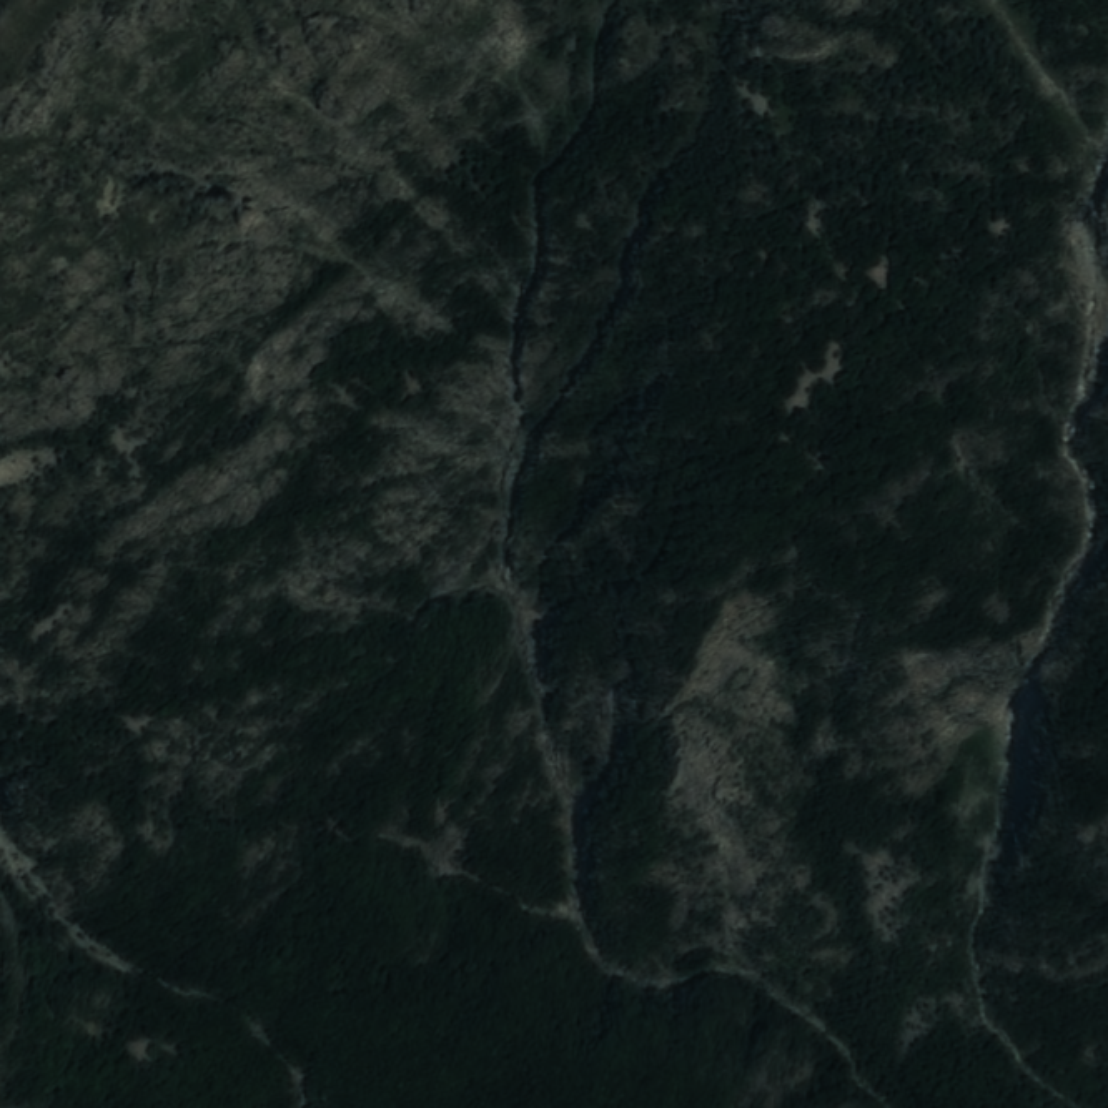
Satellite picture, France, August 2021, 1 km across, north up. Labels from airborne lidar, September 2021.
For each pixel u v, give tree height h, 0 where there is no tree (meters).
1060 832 10
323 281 16
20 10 0
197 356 7
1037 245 13
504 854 15
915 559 13
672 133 10
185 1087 24
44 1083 27
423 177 9
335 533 10
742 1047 19
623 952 12
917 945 9
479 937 24
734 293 14
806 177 9
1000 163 25
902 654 8
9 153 0
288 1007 16
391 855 12
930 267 20
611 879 15
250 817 15
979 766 0
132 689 14
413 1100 24
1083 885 9
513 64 0
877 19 13
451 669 13
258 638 9
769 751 8
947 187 23
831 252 8
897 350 6
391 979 30
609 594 10
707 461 21
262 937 22
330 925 26
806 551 13
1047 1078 6
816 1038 10
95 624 10
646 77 13
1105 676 22
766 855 7
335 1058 18
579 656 10
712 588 17
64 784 12
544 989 20
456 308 9
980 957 7
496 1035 26
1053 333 8
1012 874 6
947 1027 6
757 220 11
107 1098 25
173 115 0
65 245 0
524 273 13
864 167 12
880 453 18
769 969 22
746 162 10
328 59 7
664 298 11
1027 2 7
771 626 11
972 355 15
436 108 6
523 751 8
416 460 7
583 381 8
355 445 13
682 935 8
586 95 6
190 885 21
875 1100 12
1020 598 12
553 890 17
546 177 20
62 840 6
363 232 10
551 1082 24
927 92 17
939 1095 13
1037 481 8
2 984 10
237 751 6
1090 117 11
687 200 12
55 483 7
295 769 8
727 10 8
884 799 12
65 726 23
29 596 13
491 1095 26
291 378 11
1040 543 13
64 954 7
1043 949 7
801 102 14
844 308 11
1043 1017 14
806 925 15
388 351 22
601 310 15
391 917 23
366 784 13
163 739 9
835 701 9
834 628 13
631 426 11
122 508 7
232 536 10
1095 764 16
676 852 14
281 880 12
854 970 13
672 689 6
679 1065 16
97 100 0
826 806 19
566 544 7
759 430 19
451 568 27
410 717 18
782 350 18
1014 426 10
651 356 9
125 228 0
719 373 14
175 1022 17
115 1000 12
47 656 9
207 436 6
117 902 17
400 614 10
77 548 11
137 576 8
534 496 14
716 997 8
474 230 13
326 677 7
